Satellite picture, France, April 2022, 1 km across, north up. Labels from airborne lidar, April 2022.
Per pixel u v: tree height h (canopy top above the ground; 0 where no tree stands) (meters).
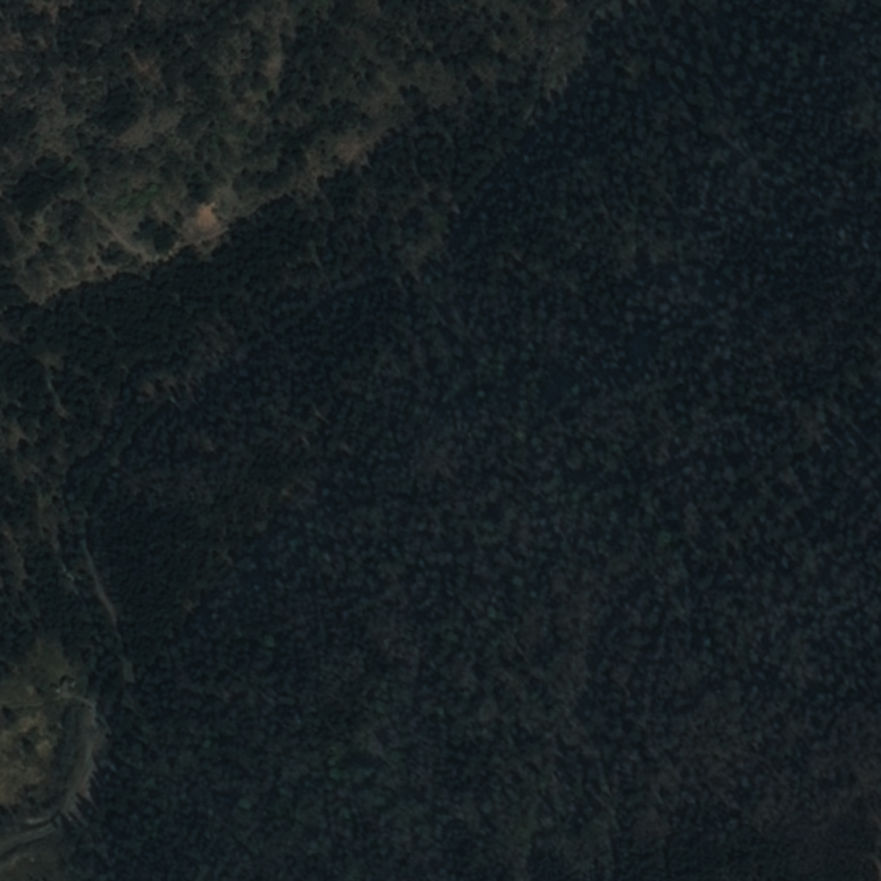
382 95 28
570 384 27
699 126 12
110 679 13
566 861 17
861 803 8
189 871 35
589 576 22
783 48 37
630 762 29
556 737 16
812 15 20
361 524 33
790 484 33
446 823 28
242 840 28
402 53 11
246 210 10
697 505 10
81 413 29
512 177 29
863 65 22
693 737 16
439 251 27
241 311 33
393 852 24
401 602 27
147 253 7
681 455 17
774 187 14
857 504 20
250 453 24
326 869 26
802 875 15
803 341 29
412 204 19
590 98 31
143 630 25
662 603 33
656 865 20
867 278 16
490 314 34
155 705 21
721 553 26
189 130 21
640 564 22
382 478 32
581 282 30
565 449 28
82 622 20
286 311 39
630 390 37
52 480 38
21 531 23
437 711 28
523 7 31
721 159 35
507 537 26
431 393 30
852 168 25
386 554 16
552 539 26
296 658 23
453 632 26
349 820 26
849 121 24
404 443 38
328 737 28
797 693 33
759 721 27
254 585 7
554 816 15
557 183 19
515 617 36
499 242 18
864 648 35
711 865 18
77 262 28
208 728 29
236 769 31
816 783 27
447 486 18
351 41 26
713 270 13
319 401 21
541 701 15
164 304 31
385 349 38
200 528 22
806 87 26
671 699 17
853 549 27
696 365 26
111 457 24
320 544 27
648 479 28
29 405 27
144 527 19
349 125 19
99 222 27
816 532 21
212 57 16
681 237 21
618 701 26
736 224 16
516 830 21
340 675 21
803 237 12
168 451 25
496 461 27
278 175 16
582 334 30
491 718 25
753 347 26
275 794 24
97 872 27
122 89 21
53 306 9
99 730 6
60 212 27
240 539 29
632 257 34
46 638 17
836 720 31
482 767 28
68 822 0
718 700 32
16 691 0
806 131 27
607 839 18
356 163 5
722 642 40
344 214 31
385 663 20
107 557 26
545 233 25
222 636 28
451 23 17
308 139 19
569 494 19
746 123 24
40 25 30
